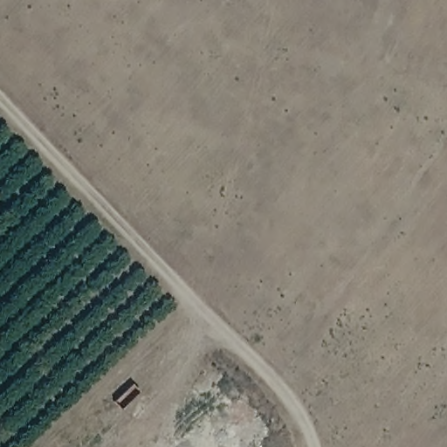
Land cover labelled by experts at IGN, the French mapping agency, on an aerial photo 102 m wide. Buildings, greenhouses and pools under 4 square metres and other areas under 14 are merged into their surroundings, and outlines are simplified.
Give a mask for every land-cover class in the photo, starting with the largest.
<instances>
[{"label":"agricultural land","instance_id":"1","mask_svg":"<svg viewBox=\"0 0 447 447\"><path fill-rule=\"evenodd\" d=\"M0 89L38 127V131L44 133L47 140L72 162L80 175L112 204L120 217L126 218L127 222L133 225V229L206 302V306L210 307L211 311L217 314L227 327L232 328L246 344H250L253 351L286 382V386L292 389L295 395L299 396L300 403L304 405L313 421L321 447H447V0H0Z\"/></svg>","mask_w":447,"mask_h":447},{"label":"herbaceous vegetation","instance_id":"2","mask_svg":"<svg viewBox=\"0 0 447 447\"><path fill-rule=\"evenodd\" d=\"M40 155L37 150L30 148L0 178V189L12 180V176L23 173L24 166L33 157L37 159ZM52 175L59 182L47 192L44 199H40L24 217H21L16 225L9 227L0 236V253L9 251L17 230L23 229L26 223L33 222L38 211L47 208L52 197H58L59 192L68 190L72 199L65 210L59 211V215L45 225V229L52 232L54 227L61 225L63 220L73 215L80 206H84L87 213L86 217L73 227L72 232L66 234L63 241H59L52 250L47 251L45 257L40 258L30 271L24 272L23 276L0 297V313L16 293L21 292L23 285L37 278L40 272L44 271V267L51 264L54 258H58L61 251L70 246L73 239L79 237L87 225L98 220L103 230L93 243H89V246L80 251L79 257L73 258L75 265L84 264L87 255L93 253L98 244L105 243L108 234L113 232L115 230L105 218L94 215L96 210L93 204L86 199L80 203L79 190L72 185L65 187L61 182L65 178L59 175L56 169L44 166L42 171H38L37 175L28 180V183H24L17 194L0 201V217L5 211H9L14 203L24 201L26 194H30L31 190L38 187L44 176ZM127 251V248L119 244L113 253L87 276L86 281H79L73 290L59 300L58 306L52 307L51 313H47L45 318L38 321L37 325L28 330L23 337H19L10 349L0 356V367L21 349L24 342H33L38 334L45 332L54 316L61 314L75 297H79L80 293L91 292L94 279L100 278L101 272L107 271L112 262H117ZM129 257L134 262L129 271L122 272L120 278L113 279L103 292L91 299L77 316H73L70 325H65L58 334L52 335L44 347L33 354L16 374L9 375L0 384V396L7 393V389L14 382L24 379L30 368L35 367L38 361L47 356L51 347L65 339L70 332H75L80 321L86 320L96 307L101 306L107 297L115 293L119 286L124 285L127 279L133 278L134 272L140 271L143 267L138 262L140 255L134 250L129 251ZM68 267H63L59 274H56L49 283H45L42 290H38L26 302V306L21 307L14 316L7 318L0 327V340L21 316L30 318L44 293L54 288L61 279H65ZM157 281L162 290L161 299L148 307L145 313H141L140 320L134 321L124 334L113 339L112 344L105 347L96 360L82 368L79 374L75 375V379L65 384L63 391L54 396V400L45 403L44 409L38 410L37 416L17 430L14 437L7 438L0 444V447H9L12 444H19L28 431L35 430L51 410L58 412V419L52 421L44 435L38 437L30 447H154L161 435L162 412L169 410L173 403H178L182 409L192 400H199L201 393H218V381L222 379L223 374L229 375V384H234L237 391L243 393L248 398V407L257 410V416L267 426V437L262 440V447H295L304 440V435L292 414L286 409L285 403L279 400L278 395L267 386V382L260 375L255 374L250 365H246L229 349H222L217 339L210 337L211 327L208 321H204L196 314L189 316L176 304L175 311H171L164 320L155 321L154 328H148L145 337H138L140 328H147L145 321L154 318V314L164 306V302L173 297L169 293V286L162 279L150 276L143 285L134 290L131 297H127L124 304H120L112 314H108L105 321L94 327L80 342L79 347L70 349L49 370V374L44 375L26 395L21 396L0 416V431L5 430V424L10 417L16 416V412L23 409L26 403L37 400L38 391L44 389L45 384L54 379V375H58L68 363L75 361L77 356H82L91 340L112 327L113 321L119 320L120 314L129 311L138 302L141 293L147 292ZM131 337L136 339V346L127 349L126 356L120 358L117 365L108 368L107 374H101L98 368L105 365V360L110 354L119 353L120 347L127 344ZM91 372L100 375V381L94 382L91 389L80 396L79 402L73 403L70 409L65 412L59 409V403L66 398L68 391L79 388L80 382Z\"/></svg>","mask_w":447,"mask_h":447},{"label":"deciduous trees","instance_id":"3","mask_svg":"<svg viewBox=\"0 0 447 447\"><path fill-rule=\"evenodd\" d=\"M30 148L21 134H12L9 141L0 147V178ZM44 166L40 155L37 159L33 157L24 166L23 173L12 176V180L0 189V201L17 194L24 183H28V180L37 175L38 171H42ZM59 182L52 175L44 176L38 187L31 190L30 194H26L24 201L14 203L9 211H5L0 217V236L9 227L16 225L21 217H24L40 199H44L47 192ZM72 199L68 190L59 192L58 197H52L47 208L38 211L33 222L26 223L23 229L17 230L9 251L0 253V297L23 276L24 272L30 271L40 258L45 257L47 251L52 250L59 241H63L66 234L72 232L73 227L86 217L87 213L84 206H80L73 215L63 220L61 225L54 227L52 232L45 229V225L59 215V211L65 210ZM103 230L98 220L87 225L79 237L73 239L70 246L61 251L58 258H54L51 264L44 267V271L40 272L37 278L23 285L21 292L16 293L0 313V327L7 318L14 316L21 307L26 306V302L38 290H42L45 283H49L56 274H59L63 267H68L65 279H61L54 288L44 293L30 318L21 316L0 340V356L10 349L19 337H23L28 330L37 325L38 321L45 318L47 313H51L52 307L58 306L59 300L73 290L79 281H86L87 276L113 253L119 244L115 241L113 232L108 234L105 243L98 244L93 253L87 255L84 264L75 265L73 258L79 257L80 251L89 246V243H93ZM134 262L129 257V251H127L117 262H112L107 271L101 272L100 278L94 279L91 292L80 293L79 297H75L61 314L54 316L45 332L38 334L33 342H24L21 349L0 367V384L9 375L16 374L33 354L44 347L52 335L58 334L65 325H70L73 316H77L91 299L103 292L113 279L120 278L122 272L129 271ZM150 276L143 267L140 271L134 272L133 278L127 279L124 285L119 286L115 293L107 297L101 306L96 307L86 320L80 321L75 332H70L65 339L51 347L47 356L38 361L35 367L30 368L24 379L14 382L7 389V393L0 396V416L21 396L26 395L44 375L49 374V370L70 349L79 347L80 342L94 327L105 321L108 314H112L120 304H124L127 297H131L134 290L143 285ZM162 290L157 281L147 292L141 293L138 302L129 311L120 314L119 320L113 321L112 327L91 340L82 356H77L75 361L68 363L58 375H54V379L45 384L44 389L38 391L37 400L26 403L23 409L16 412V416L10 417L5 424V430L0 431V444L7 438L14 437L17 430L37 416L38 410L44 409L45 403L54 400V396L63 391L65 384L75 379V375L79 374L82 368L96 360L105 347L112 344L113 339L124 334L134 321L140 320L141 313H145L148 307L161 299ZM176 304L173 297L164 302V306L154 314V318L145 321L147 328H140L138 337H145L148 328H154L155 321L164 320L171 311H175ZM136 346V339L131 337L127 344L120 347L119 353L110 354L105 360V365L98 368L101 374H107L108 368L117 365L120 358L126 356L127 349ZM100 381V375L91 372L80 382L79 388L68 391L66 398L59 403V409L65 412L70 409L73 403L79 402L80 396L91 389L94 382ZM58 412L51 410L35 430L28 431L19 444H12L9 447H30L38 437L44 435L52 421L58 419Z\"/></svg>","mask_w":447,"mask_h":447},{"label":"pervious surface","instance_id":"4","mask_svg":"<svg viewBox=\"0 0 447 447\"><path fill-rule=\"evenodd\" d=\"M12 134H21L30 148L37 150L40 155L44 166L56 169L59 175L65 178L61 182L65 187L72 185L79 190L80 203L86 199L93 204L96 210L94 215L105 218L115 230L113 232L115 241L119 244L127 248V251H129L134 250L140 255L138 262L143 267L150 276L162 279L169 286V293L173 297L176 304L189 316L196 314L204 321H208L211 327L210 337L217 339L222 349H229L246 365H250L255 374L260 375L267 382V386L278 395L279 400L285 403L286 409L292 414L304 435V440L295 447H321L313 421L304 405L300 403L299 396L295 395L292 389L286 386V382L253 351L250 344H246L232 328L227 327L217 314L211 311L210 307L206 306V302L133 229V225L127 222L126 218L120 217L112 204L80 175L72 162L47 140L44 133L38 131V127L0 89V147L9 141ZM182 409L178 403H173L169 410L162 412L161 435L154 447H262V440L267 437V426L257 416V410L248 407V398L243 393L241 400L227 403L225 409L206 412L203 423L194 424V428L187 435L176 430V412Z\"/></svg>","mask_w":447,"mask_h":447},{"label":"brushwood","instance_id":"5","mask_svg":"<svg viewBox=\"0 0 447 447\"><path fill-rule=\"evenodd\" d=\"M218 393H201L199 400H192L182 409L176 412V430L187 435L194 428V424L203 423L206 412L225 409L227 403L241 400L243 393L237 391L234 384H229V375L223 374L222 379L218 381Z\"/></svg>","mask_w":447,"mask_h":447}]
</instances>
